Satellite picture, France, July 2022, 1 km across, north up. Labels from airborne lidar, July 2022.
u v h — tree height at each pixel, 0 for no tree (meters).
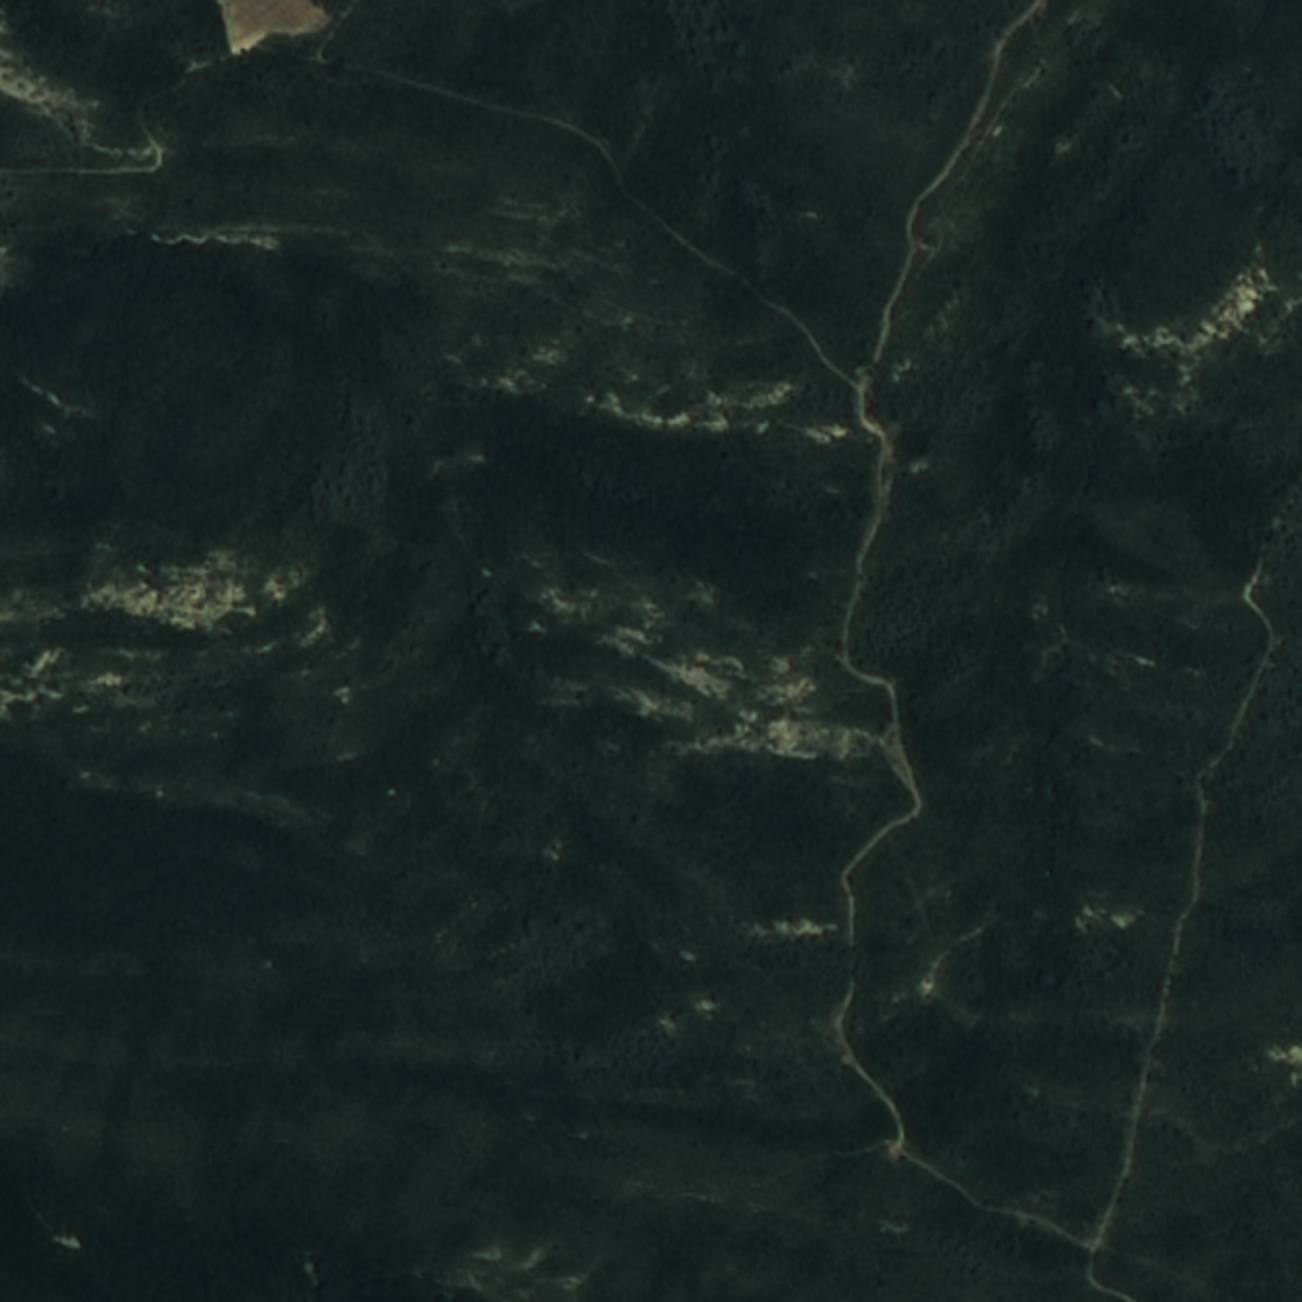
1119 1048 7
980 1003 7
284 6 0
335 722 9
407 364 7
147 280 5
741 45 10
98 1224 7
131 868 5
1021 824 6
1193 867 0
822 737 0
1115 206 9
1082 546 7
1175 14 6
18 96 0
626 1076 7
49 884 6
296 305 7
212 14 10
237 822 6
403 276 5
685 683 0
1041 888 6
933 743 6
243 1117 7
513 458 5
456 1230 7
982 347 6
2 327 8
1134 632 6
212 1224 9
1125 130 11
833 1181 6
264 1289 10
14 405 9
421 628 8
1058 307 7
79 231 6
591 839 9
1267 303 7
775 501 12
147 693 8
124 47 8
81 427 6
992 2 6
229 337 5
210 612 0
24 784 6
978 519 9
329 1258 14
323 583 7
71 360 6
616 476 6
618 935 6
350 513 7
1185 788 8
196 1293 9
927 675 12
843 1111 0
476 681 7
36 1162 7
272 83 11
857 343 6
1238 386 7
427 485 6
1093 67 11
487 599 12
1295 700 10
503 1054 5
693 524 8
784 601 6
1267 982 0
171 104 6
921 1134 5
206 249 6
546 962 6
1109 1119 8
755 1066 7
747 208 7
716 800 6
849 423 6
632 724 6
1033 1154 6
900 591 10
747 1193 0
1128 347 7
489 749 7
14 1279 9
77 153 5
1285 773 8
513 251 0
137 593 0
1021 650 11
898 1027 10
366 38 6
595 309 0
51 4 6
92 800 8
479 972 5
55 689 6
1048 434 14
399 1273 8
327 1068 6
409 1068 6
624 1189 0
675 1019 8
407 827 5
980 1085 7
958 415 6
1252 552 12
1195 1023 0
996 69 0
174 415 6
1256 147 12
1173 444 12
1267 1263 7
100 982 5
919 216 0
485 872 6
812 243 8
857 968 8
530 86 6
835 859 7
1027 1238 6
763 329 0
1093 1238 0
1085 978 6
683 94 7
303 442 7
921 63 9
